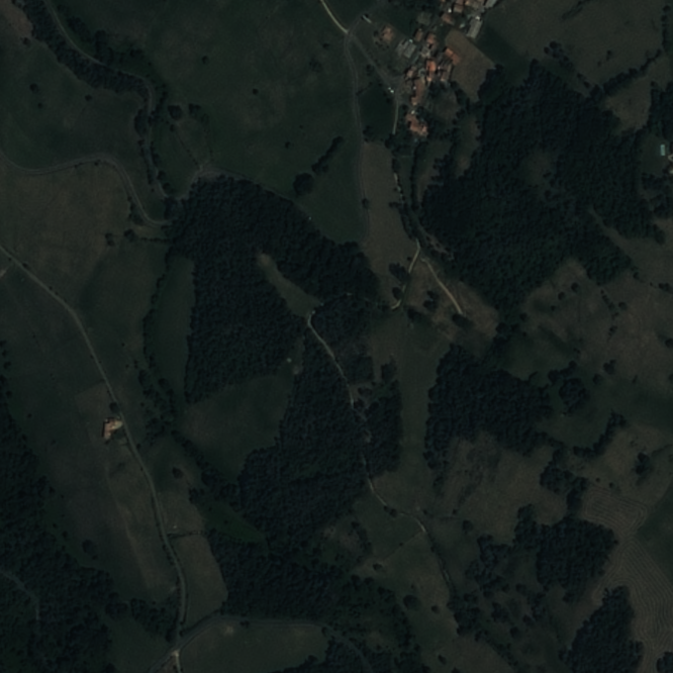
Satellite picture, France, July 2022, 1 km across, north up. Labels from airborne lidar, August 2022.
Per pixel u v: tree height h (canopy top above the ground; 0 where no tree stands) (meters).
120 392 0
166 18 0
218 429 0
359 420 17
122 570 0
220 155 0
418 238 13
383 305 8
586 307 0
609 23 0
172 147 0
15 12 0
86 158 0
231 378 8
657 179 7
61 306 0
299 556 21
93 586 7
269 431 0
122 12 0
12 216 0
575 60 0
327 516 15
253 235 10
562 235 13
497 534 0
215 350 11
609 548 11
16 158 0
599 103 17
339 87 0
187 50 0
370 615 0
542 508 0
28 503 21
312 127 0
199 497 19
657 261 0
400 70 0
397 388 10
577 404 17
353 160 0
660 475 0
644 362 0
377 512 0
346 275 20
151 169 9
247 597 22
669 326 0
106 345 0
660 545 0
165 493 0
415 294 0
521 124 9
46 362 0
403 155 12
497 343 8
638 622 0
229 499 17
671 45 10
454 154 7
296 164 0
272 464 19
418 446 0
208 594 0
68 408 0
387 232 0
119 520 0
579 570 19
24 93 0
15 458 22
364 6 0
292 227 15
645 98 0
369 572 0
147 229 0
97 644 17
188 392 7
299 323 9
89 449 0
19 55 0
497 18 0
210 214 10
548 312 0
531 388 12
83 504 0
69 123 0
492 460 0
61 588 15
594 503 0
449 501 0
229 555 16
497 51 0
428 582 0
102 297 0
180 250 13
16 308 0
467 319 7
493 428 12
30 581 18
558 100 14
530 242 6
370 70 11
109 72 20
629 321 0
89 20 0
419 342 0
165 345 0
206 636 0
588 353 0
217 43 0
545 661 0
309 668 17
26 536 19
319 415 17
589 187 8
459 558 0
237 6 0
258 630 0
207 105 0
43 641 13
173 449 0
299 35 0
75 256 0
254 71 0
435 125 8
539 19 0
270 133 0
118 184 0
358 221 0
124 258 0
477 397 15
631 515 0
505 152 7
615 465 0
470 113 12
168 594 0
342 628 8
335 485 17
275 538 27
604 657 17
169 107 0
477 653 0
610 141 11
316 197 0
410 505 0
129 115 0
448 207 14
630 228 13
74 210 0
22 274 0
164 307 0
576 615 0
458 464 0
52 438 0
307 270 12
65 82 0
